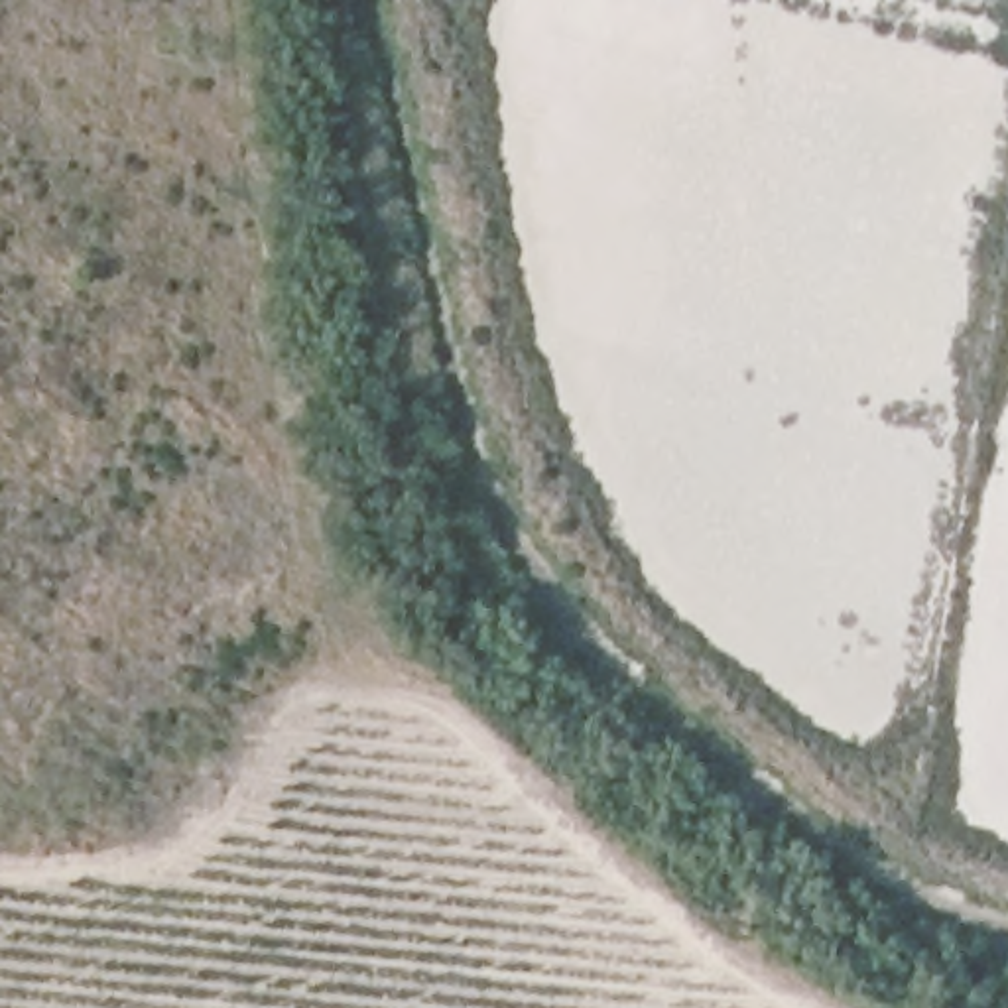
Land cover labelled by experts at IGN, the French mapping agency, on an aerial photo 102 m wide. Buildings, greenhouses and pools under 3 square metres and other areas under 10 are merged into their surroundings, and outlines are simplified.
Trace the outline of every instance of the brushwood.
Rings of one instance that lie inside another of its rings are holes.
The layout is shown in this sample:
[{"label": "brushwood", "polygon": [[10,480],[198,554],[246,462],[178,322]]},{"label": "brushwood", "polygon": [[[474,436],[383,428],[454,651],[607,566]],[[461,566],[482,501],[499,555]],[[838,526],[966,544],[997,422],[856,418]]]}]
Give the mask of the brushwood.
[{"label": "brushwood", "polygon": [[453,614],[441,622],[445,638],[453,642],[469,626],[473,602],[488,602],[524,618],[536,646],[547,658],[559,658],[567,673],[583,677],[591,693],[599,685],[610,685],[622,669],[591,642],[583,626],[583,610],[591,606],[591,599],[543,583],[520,555],[520,512],[492,492],[492,473],[476,457],[473,406],[465,402],[465,390],[453,374],[453,350],[445,343],[441,323],[441,295],[429,276],[433,224],[421,213],[417,177],[410,169],[410,150],[402,138],[402,118],[394,102],[394,47],[382,35],[378,0],[323,0],[319,12],[335,12],[335,24],[319,32],[327,59],[343,83],[339,102],[323,110],[327,142],[347,154],[347,181],[335,181],[331,193],[343,209],[350,209],[350,221],[339,224],[339,236],[366,264],[366,284],[358,299],[362,327],[354,339],[362,354],[350,370],[350,394],[343,394],[343,402],[358,410],[370,437],[386,449],[390,465],[429,469],[429,484],[421,492],[425,508],[433,516],[445,516],[449,543],[461,559]]},{"label": "brushwood", "polygon": [[866,827],[835,823],[823,811],[791,811],[784,795],[768,791],[752,776],[752,756],[740,744],[721,736],[717,728],[693,728],[685,721],[685,709],[669,693],[646,693],[638,685],[622,705],[622,713],[638,725],[630,748],[654,748],[669,740],[697,756],[705,780],[740,803],[748,827],[760,835],[764,862],[776,847],[803,843],[815,858],[827,862],[827,894],[843,906],[851,921],[862,921],[870,933],[898,937],[921,953],[937,949],[941,933],[953,933],[973,980],[1000,973],[1008,961],[1008,929],[965,921],[953,910],[929,906],[925,898],[917,898],[910,886],[882,870],[886,851],[870,839]]}]

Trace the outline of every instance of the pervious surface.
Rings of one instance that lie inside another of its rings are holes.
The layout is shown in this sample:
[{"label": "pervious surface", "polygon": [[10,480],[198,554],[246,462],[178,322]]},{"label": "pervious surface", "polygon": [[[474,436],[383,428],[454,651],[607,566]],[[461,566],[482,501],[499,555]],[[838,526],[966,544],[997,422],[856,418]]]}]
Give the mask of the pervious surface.
[{"label": "pervious surface", "polygon": [[996,39],[996,24],[988,16],[945,12],[929,0],[910,0],[906,8],[914,12],[914,24],[973,32],[977,39]]},{"label": "pervious surface", "polygon": [[996,465],[980,500],[969,626],[957,673],[957,811],[965,815],[965,823],[984,827],[1008,843],[1008,402],[996,425]]},{"label": "pervious surface", "polygon": [[929,906],[953,910],[965,921],[1008,929],[1008,910],[973,906],[953,886],[933,886],[933,894],[925,898]]},{"label": "pervious surface", "polygon": [[736,658],[744,669],[756,669],[803,717],[847,740],[874,740],[894,721],[898,689],[910,665],[910,602],[921,587],[925,551],[933,547],[937,484],[953,476],[949,449],[933,449],[925,429],[886,425],[882,410],[890,402],[929,406],[949,402],[957,394],[953,335],[969,319],[973,248],[980,236],[980,228],[973,224],[973,197],[992,193],[1000,177],[1004,142],[996,138],[996,130],[1008,122],[1008,67],[992,63],[988,55],[890,39],[874,28],[827,24],[756,0],[496,0],[488,16],[488,39],[496,47],[504,126],[500,154],[512,185],[512,228],[520,240],[520,268],[536,315],[536,343],[547,354],[559,410],[571,421],[575,453],[602,484],[614,512],[614,532],[638,555],[646,583],[717,650]]}]

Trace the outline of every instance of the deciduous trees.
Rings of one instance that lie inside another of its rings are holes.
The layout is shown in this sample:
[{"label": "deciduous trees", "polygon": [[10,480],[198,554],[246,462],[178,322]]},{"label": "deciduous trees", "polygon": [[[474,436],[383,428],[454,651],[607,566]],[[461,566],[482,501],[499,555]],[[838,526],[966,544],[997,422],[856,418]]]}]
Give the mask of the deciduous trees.
[{"label": "deciduous trees", "polygon": [[500,740],[528,756],[543,776],[563,780],[575,795],[575,811],[610,843],[622,843],[626,858],[654,866],[658,882],[705,929],[713,929],[728,945],[760,941],[768,965],[795,969],[807,984],[815,984],[843,1008],[1008,1008],[1008,961],[1000,973],[973,980],[953,933],[941,933],[937,949],[921,953],[898,937],[870,933],[862,921],[851,921],[843,906],[827,894],[827,862],[815,858],[803,843],[776,847],[764,862],[760,835],[748,827],[740,803],[705,780],[697,756],[669,740],[654,748],[630,748],[638,725],[622,713],[622,705],[638,685],[638,677],[622,669],[610,685],[599,685],[591,693],[583,677],[567,673],[559,658],[547,658],[536,646],[524,618],[488,602],[473,602],[469,626],[453,642],[445,638],[441,622],[453,614],[461,559],[449,543],[445,516],[433,516],[425,508],[421,492],[429,484],[429,469],[390,465],[386,449],[370,437],[358,410],[343,402],[343,394],[350,394],[350,370],[362,354],[354,339],[362,327],[358,299],[366,284],[366,264],[339,236],[339,224],[350,221],[350,209],[343,209],[331,193],[335,181],[347,181],[347,154],[327,142],[323,110],[339,102],[343,83],[327,59],[319,32],[335,24],[335,12],[319,12],[323,0],[248,0],[252,55],[260,59],[260,150],[291,154],[291,165],[272,173],[276,232],[264,299],[264,327],[280,347],[287,386],[303,398],[303,413],[287,425],[287,437],[303,445],[303,476],[311,476],[327,492],[323,532],[335,555],[350,571],[382,575],[378,610],[390,618],[390,634],[410,638],[410,662],[429,665],[433,677],[449,685],[453,697],[465,709],[473,709]]}]

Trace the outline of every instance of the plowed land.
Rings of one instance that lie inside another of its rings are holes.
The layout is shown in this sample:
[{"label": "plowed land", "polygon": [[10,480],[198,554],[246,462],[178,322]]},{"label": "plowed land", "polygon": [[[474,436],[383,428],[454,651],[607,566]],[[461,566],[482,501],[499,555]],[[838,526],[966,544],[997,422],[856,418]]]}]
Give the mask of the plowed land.
[{"label": "plowed land", "polygon": [[47,858],[0,854],[0,886],[59,894],[63,882],[75,878],[106,878],[185,890],[193,870],[205,866],[205,854],[232,854],[232,847],[221,843],[221,835],[260,839],[272,823],[272,807],[244,803],[228,791],[224,807],[189,807],[181,831],[154,847],[138,843],[110,847],[98,854]]}]

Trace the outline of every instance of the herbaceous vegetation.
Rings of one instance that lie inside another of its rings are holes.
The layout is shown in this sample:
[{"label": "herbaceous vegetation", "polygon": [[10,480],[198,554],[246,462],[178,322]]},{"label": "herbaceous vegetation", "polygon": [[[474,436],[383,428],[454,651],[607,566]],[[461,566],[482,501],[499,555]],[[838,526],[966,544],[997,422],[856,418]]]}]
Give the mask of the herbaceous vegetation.
[{"label": "herbaceous vegetation", "polygon": [[882,870],[910,886],[917,898],[925,898],[933,894],[933,886],[953,886],[973,906],[1008,910],[1008,843],[984,827],[965,823],[965,815],[957,811],[957,673],[969,626],[980,500],[996,465],[996,425],[1008,402],[1008,122],[996,130],[996,138],[1004,142],[1000,177],[992,193],[973,197],[973,224],[980,228],[980,236],[973,248],[969,319],[953,335],[957,394],[949,402],[929,406],[890,402],[882,410],[886,425],[925,429],[933,449],[949,449],[953,476],[937,484],[933,547],[925,551],[921,587],[910,602],[910,665],[898,689],[894,721],[874,740],[847,740],[803,717],[756,669],[744,669],[736,658],[717,650],[646,583],[638,555],[614,532],[614,512],[602,484],[575,453],[571,421],[559,410],[547,354],[536,343],[536,315],[520,268],[520,240],[512,228],[512,185],[500,154],[504,126],[496,47],[488,39],[488,16],[496,0],[378,0],[382,35],[394,47],[394,102],[402,118],[402,138],[410,150],[410,169],[417,177],[421,213],[433,224],[429,276],[441,295],[441,323],[445,343],[453,350],[453,374],[465,390],[465,402],[473,406],[476,457],[492,473],[492,492],[520,512],[520,555],[543,583],[591,599],[591,606],[583,610],[583,626],[591,642],[622,669],[638,677],[638,685],[646,693],[669,693],[685,709],[685,721],[693,728],[717,728],[721,736],[740,744],[752,756],[752,776],[768,791],[784,795],[791,811],[823,811],[835,823],[866,827],[870,839],[886,851]]},{"label": "herbaceous vegetation", "polygon": [[906,8],[910,0],[756,0],[827,24],[874,28],[890,39],[988,55],[992,63],[1008,67],[1008,0],[929,0],[945,12],[988,16],[996,24],[996,39],[977,39],[973,32],[914,24],[914,12]]},{"label": "herbaceous vegetation", "polygon": [[390,634],[390,618],[378,610],[382,575],[350,571],[335,555],[323,532],[327,492],[311,476],[303,476],[303,445],[287,437],[287,425],[303,413],[303,398],[287,386],[280,347],[264,327],[264,299],[276,232],[272,173],[291,165],[291,154],[260,150],[260,59],[252,55],[248,0],[0,0],[0,854],[47,858],[98,854],[110,847],[138,843],[154,847],[181,831],[189,807],[224,807],[228,791],[236,776],[236,752],[260,744],[268,717],[276,713],[276,693],[295,685],[299,662],[335,665],[350,646],[362,642],[382,658],[410,662],[410,638]]}]

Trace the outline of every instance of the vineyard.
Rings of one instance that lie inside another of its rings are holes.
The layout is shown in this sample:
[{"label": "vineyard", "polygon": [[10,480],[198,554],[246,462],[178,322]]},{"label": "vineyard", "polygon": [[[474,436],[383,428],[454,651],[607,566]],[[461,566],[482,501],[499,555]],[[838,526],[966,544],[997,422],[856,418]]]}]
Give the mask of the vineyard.
[{"label": "vineyard", "polygon": [[295,685],[276,693],[276,713],[268,717],[260,744],[236,752],[236,776],[228,791],[244,803],[272,807],[272,823],[260,839],[221,835],[221,843],[232,847],[232,854],[205,854],[205,866],[193,870],[185,890],[106,878],[75,878],[63,882],[59,894],[0,886],[0,1008],[843,1008],[815,984],[807,984],[795,969],[768,965],[760,941],[728,945],[713,929],[705,929],[658,882],[654,866],[626,858],[622,843],[610,843],[575,811],[575,795],[563,780],[543,776],[528,756],[500,740],[473,709],[465,709],[453,697],[449,685],[433,677],[429,665],[410,662],[382,658],[362,642],[350,646],[335,665],[299,662]]}]

